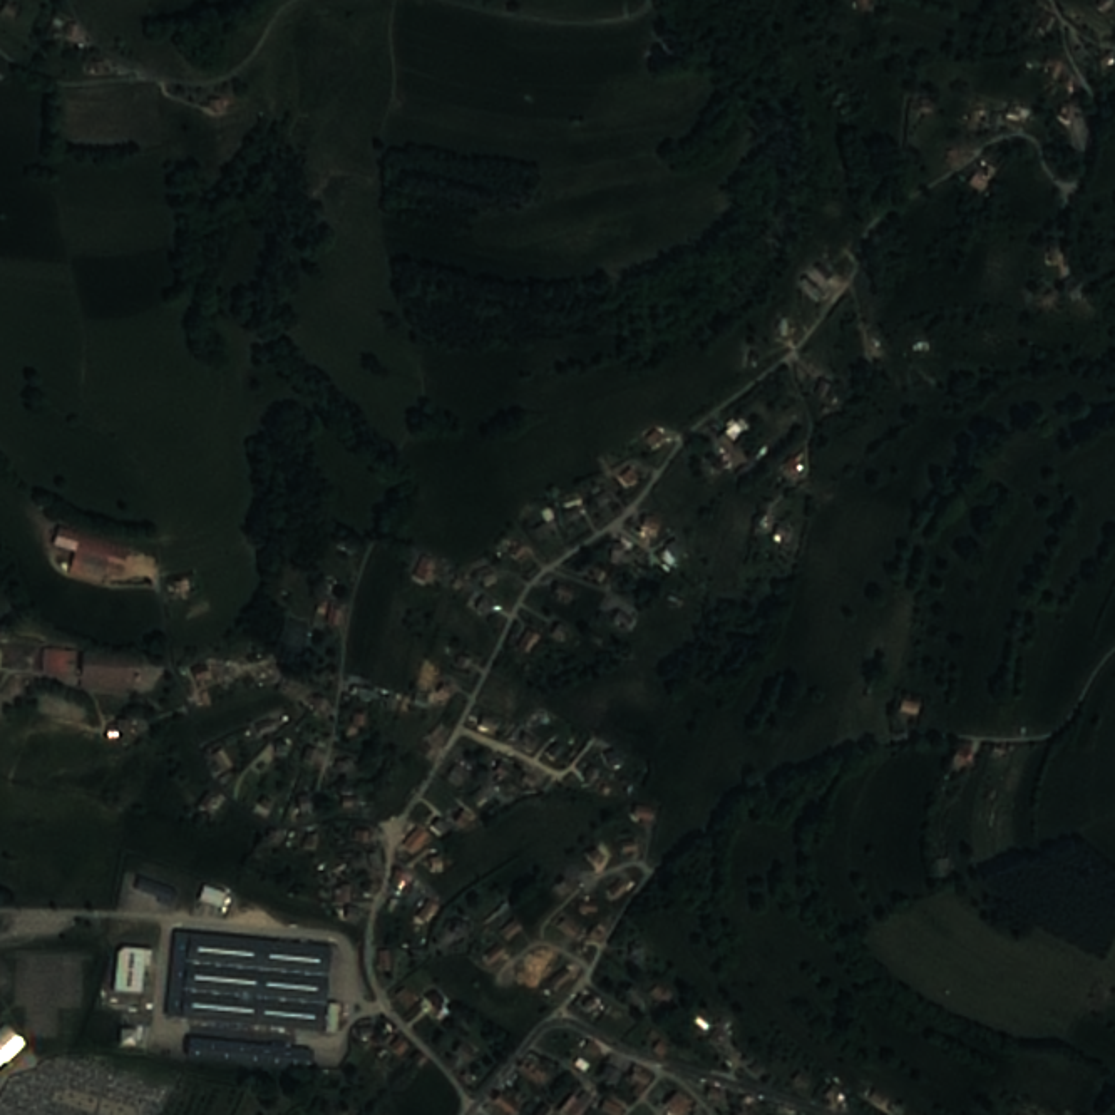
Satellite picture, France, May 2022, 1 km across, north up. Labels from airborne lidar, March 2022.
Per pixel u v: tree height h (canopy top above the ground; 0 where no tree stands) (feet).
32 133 0
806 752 0
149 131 0
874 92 0
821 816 68
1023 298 0
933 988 0
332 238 53
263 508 51
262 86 0
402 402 0
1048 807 0
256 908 0
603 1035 0
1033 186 0
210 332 72
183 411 0
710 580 0
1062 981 0
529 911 0
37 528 0
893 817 0
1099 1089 0
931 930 0
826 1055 0
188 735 0
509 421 56
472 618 0
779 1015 0
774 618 60
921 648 19
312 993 0
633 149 0
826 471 0
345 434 66
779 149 104
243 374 0
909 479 0
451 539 0
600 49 0
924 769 0
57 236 0
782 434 0
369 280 0
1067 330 0
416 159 43
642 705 0
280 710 0
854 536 0
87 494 0
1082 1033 0
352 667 0
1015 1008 0
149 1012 0
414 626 24
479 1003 0
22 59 0
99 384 0
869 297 64
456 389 0
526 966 0
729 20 41
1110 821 0
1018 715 0
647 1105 0
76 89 0
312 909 0
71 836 0
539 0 0
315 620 0
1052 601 50
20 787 0
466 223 40
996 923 52
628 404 0
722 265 69
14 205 0
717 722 0
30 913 0
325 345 0
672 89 0
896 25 0
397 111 0
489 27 0
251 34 0
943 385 0
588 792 0
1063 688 0
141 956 0
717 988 0
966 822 0
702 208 0
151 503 0
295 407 51
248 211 49
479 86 0
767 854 0
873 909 0
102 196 0
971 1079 0
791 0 0
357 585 0
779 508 0
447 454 0
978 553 67
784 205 89
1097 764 0
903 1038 0
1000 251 0
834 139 0
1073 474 0
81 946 0
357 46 0
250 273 0
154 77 0
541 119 0
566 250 0
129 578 0
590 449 0
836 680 0
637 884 0
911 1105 0
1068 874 63
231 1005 0
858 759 62
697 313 65
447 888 0
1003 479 0
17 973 0
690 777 0
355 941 0
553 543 0
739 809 52
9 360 0
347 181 0
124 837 0
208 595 0
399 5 0
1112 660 0
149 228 0
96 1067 0
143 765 0
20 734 0
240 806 0
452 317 61
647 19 0
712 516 24
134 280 0
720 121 63
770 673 0
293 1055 0
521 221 0
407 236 0
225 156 0
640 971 67
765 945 0
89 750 0
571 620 0
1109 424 67
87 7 0
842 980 0
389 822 0
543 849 0
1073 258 24
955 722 0
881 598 51
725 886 44
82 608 0
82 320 0
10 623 38
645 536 0
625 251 0
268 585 27
